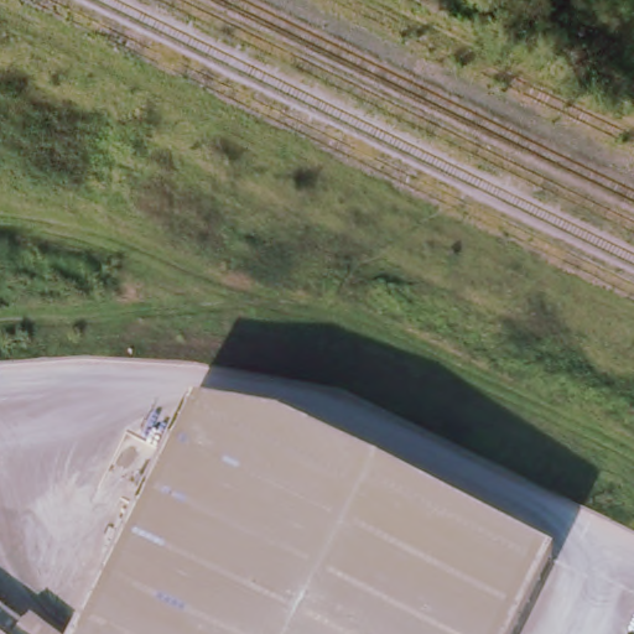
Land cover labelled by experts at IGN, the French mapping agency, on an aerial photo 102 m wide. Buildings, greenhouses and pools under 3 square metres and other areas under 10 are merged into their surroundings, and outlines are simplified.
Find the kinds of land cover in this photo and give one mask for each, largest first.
<instances>
[{"label":"herbaceous vegetation","instance_id":"1","mask_svg":"<svg viewBox=\"0 0 634 634\"><path fill-rule=\"evenodd\" d=\"M27 82H32L50 92L47 102H74L77 109L102 111L111 119L146 114V121L154 124L156 131L173 136V146L168 151L173 154L176 163V168L163 171L161 178L139 176L136 168H129L126 186L131 188V193L124 196V206L106 208V228H102L94 218L84 215L77 206L40 198L27 188L10 191L12 178L0 176V240H5L10 250H40L45 255L77 258L84 263H89L92 255H97L99 263H116V267L124 270L121 292H109L99 287L82 295L77 290L72 297L64 300L30 297L27 282L32 277L15 275L12 270L0 272V362L42 357L171 359L198 362L208 367L300 381L312 386L344 389L352 396L369 401L376 409L396 419H404L419 426L421 431H428L448 441L461 451H468L557 498L575 503L577 508H589L634 530V433L629 428H622L614 419H609V409H602L592 401L570 404V394H545L535 386H520L510 371L503 369L500 362H508L505 347L510 344V337L508 332H503V319L510 317L520 322L525 332L540 334V339L552 334L570 337V344L582 349L587 359L604 374L634 376V302L604 287H597L582 277L567 275L565 270L542 260L535 250H523L515 240H503L500 235L478 230L463 220L441 215L436 206L404 193L396 186H386L384 181L359 168L329 159L327 154L317 151L310 141L270 129V124L263 116L245 111L240 106L223 104L220 99L211 97L201 84L188 82L181 74H168L159 69L154 62H139L134 54L124 52L106 37H102L99 30L72 27L62 20L50 17L35 0H0V89L20 94L27 89Z\"/></svg>","mask_w":634,"mask_h":634},{"label":"building","instance_id":"2","mask_svg":"<svg viewBox=\"0 0 634 634\"><path fill-rule=\"evenodd\" d=\"M163 428L168 431V443L161 451H151L146 456L151 461V471L144 483H136V508L131 518L124 523V532L111 550L109 562L102 570L97 587L89 594V602L77 614L72 612L67 629H54L35 612L20 614L0 599V634H510L513 622L523 607V599L550 550V535L282 401L235 391H218L208 389L206 384H198L188 396L178 399L173 414L168 416Z\"/></svg>","mask_w":634,"mask_h":634},{"label":"pervious surface","instance_id":"3","mask_svg":"<svg viewBox=\"0 0 634 634\"><path fill-rule=\"evenodd\" d=\"M50 17L62 20L72 27L99 30L102 37H106L124 52L134 54L139 62H154L159 69L168 74H181L188 82L201 84L211 97L220 99L223 104L240 106L245 111L263 116L270 124V129L310 141L317 151L327 154L329 159L359 168L384 181L386 186H396L404 193L436 206L441 215L463 220L478 230L500 235L503 240H515L523 250H535L542 260L565 270L567 275L582 277L597 287H604L634 302V126L614 116L612 111L597 114L580 102L557 97L550 89V84L535 79L532 74L498 67L485 54H473V50L463 47L456 37H446L433 22L419 25L414 17L399 12V5L404 0H35Z\"/></svg>","mask_w":634,"mask_h":634},{"label":"impervious surface","instance_id":"4","mask_svg":"<svg viewBox=\"0 0 634 634\"><path fill-rule=\"evenodd\" d=\"M198 384H206L208 389L218 391H235L282 401L550 535V550L523 599V607L513 622L510 634H634V530L589 508H577L575 503L557 498L468 451H461L448 441L428 431H421L419 426L404 419H396L376 409L369 401L352 396L344 389L312 386L300 381L208 367L198 362L171 359L42 357L0 362V599L20 614L35 612L54 629H67L72 612L77 614L89 602V594L97 587L102 570L109 562L111 550L124 532V523L131 518L136 508V483H144L151 471V461L146 456L151 451H161L168 443V431L163 428L168 416L173 414L178 399L188 396Z\"/></svg>","mask_w":634,"mask_h":634},{"label":"brushwood","instance_id":"5","mask_svg":"<svg viewBox=\"0 0 634 634\"><path fill-rule=\"evenodd\" d=\"M399 12L414 17L419 25L433 22L446 37H456L463 47L473 50V54H485L498 67L532 74L535 79L550 84V89L557 97L580 102L597 114L612 111L614 116L634 126V74L627 79L619 69L612 67L599 77L594 67H580L570 59V54L557 57L552 50V37H537L535 47L528 50L523 42H515L505 35V27L500 22H476L453 17L448 10H443L438 0H404L399 5ZM50 92L32 82H27V89L20 94L0 89V176L12 178L10 191L27 188L40 198L77 206L84 215L94 218L102 228H106V208L124 206V196L131 193V188L126 186L129 168H136L139 176L161 178L163 171L176 168V163L173 154L168 151L173 146V136L156 131L154 124L146 121V114L111 119L102 111L77 109L74 102H47ZM12 270L15 275L32 277L27 282L30 297L64 300L72 297L77 290L82 295L99 287L109 292H121L124 270L116 267V263H99L97 255H92L89 263H84L77 258L45 255L40 250H10L5 240H0V272ZM503 332H508L510 337V344L505 347L508 362H500L503 369L510 371L520 386H535L545 394H570V404L592 401L602 409H609V419H614L622 428H629L634 433V376L604 374L587 359L582 349L570 344V337L552 334L540 339V334L525 332L520 322L510 317L503 319Z\"/></svg>","mask_w":634,"mask_h":634},{"label":"deciduous trees","instance_id":"6","mask_svg":"<svg viewBox=\"0 0 634 634\"><path fill-rule=\"evenodd\" d=\"M443 10H448L453 17L476 22H500L505 27V35L515 42H523L528 50L535 47L537 37H552V50L557 57L570 54V59L580 67H594L599 77L612 67L619 69L627 79L634 74V0H438Z\"/></svg>","mask_w":634,"mask_h":634}]
</instances>
